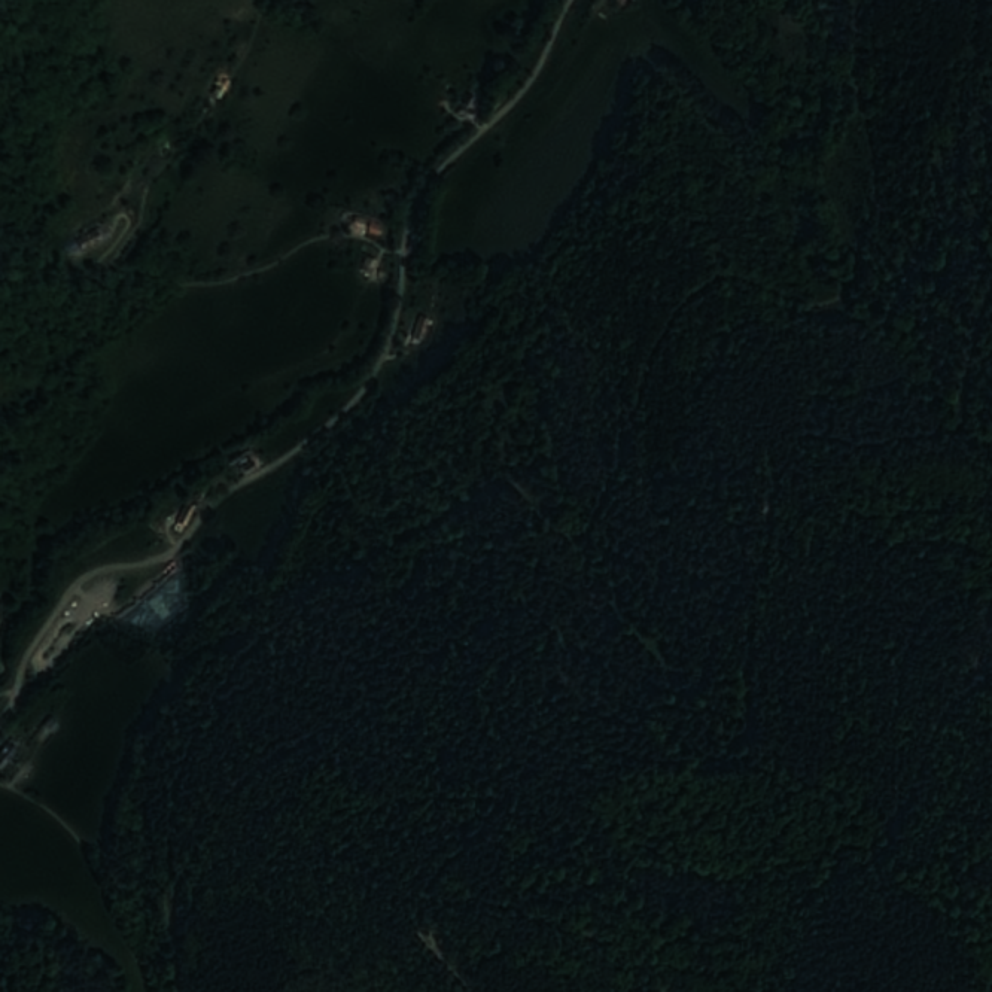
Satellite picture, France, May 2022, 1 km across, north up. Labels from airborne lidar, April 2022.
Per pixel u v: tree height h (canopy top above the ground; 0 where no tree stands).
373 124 0
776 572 17
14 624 13
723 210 18
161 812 25
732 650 28
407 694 23
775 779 25
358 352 0
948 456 30
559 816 28
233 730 22
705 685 35
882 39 14
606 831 24
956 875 28
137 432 0
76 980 35
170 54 11
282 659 12
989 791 22
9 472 28
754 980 22
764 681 25
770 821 29
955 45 12
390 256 6
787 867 24
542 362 27
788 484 16
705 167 16
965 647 23
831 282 26
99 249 0
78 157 0
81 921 0
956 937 16
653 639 23
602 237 10
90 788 0
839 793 25
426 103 0
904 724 19
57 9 23
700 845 32
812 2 19
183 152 7
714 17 28
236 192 0
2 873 0
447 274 21
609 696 35
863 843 14
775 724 23
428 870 24
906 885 22
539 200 0
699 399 22
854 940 28
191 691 25
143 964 12
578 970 19
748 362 20
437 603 24
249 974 21
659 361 11
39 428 27
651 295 9
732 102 0
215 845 25
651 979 21
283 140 11
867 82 17
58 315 17
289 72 0
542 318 15
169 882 18
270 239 0
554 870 27
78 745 0
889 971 29
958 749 19
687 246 8
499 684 30
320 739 17
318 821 23
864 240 17
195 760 22
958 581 26
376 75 0
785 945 21
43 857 0
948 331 25
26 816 0
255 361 0
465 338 21
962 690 18
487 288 22
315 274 0
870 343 17
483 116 19
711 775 31
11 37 30
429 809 28
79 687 0
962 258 24
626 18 0
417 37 0
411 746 23
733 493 22
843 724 21
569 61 0
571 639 25
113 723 0
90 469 0
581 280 16
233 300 0
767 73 29
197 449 0
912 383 10
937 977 24
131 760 14
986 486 26
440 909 19
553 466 21
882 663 19
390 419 29
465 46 0
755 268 17
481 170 0
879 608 21
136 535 0
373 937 18
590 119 0
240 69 0
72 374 30
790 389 24
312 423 0
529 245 0
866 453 27
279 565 24
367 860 22
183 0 0
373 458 20
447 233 0
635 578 33
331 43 0
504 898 23
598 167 9
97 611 0
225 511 0
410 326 0
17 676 0
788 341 25
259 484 0
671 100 14
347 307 0
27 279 24
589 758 29
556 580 23
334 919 16
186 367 0
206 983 25
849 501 23
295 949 18
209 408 0
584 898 22
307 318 0
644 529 30
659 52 0
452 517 21
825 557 18
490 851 30
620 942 22
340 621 25
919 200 8
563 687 38
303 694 24
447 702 25
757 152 17
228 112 0
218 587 23
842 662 17
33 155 25
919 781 22
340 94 0
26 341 23
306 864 22
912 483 24
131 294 21
